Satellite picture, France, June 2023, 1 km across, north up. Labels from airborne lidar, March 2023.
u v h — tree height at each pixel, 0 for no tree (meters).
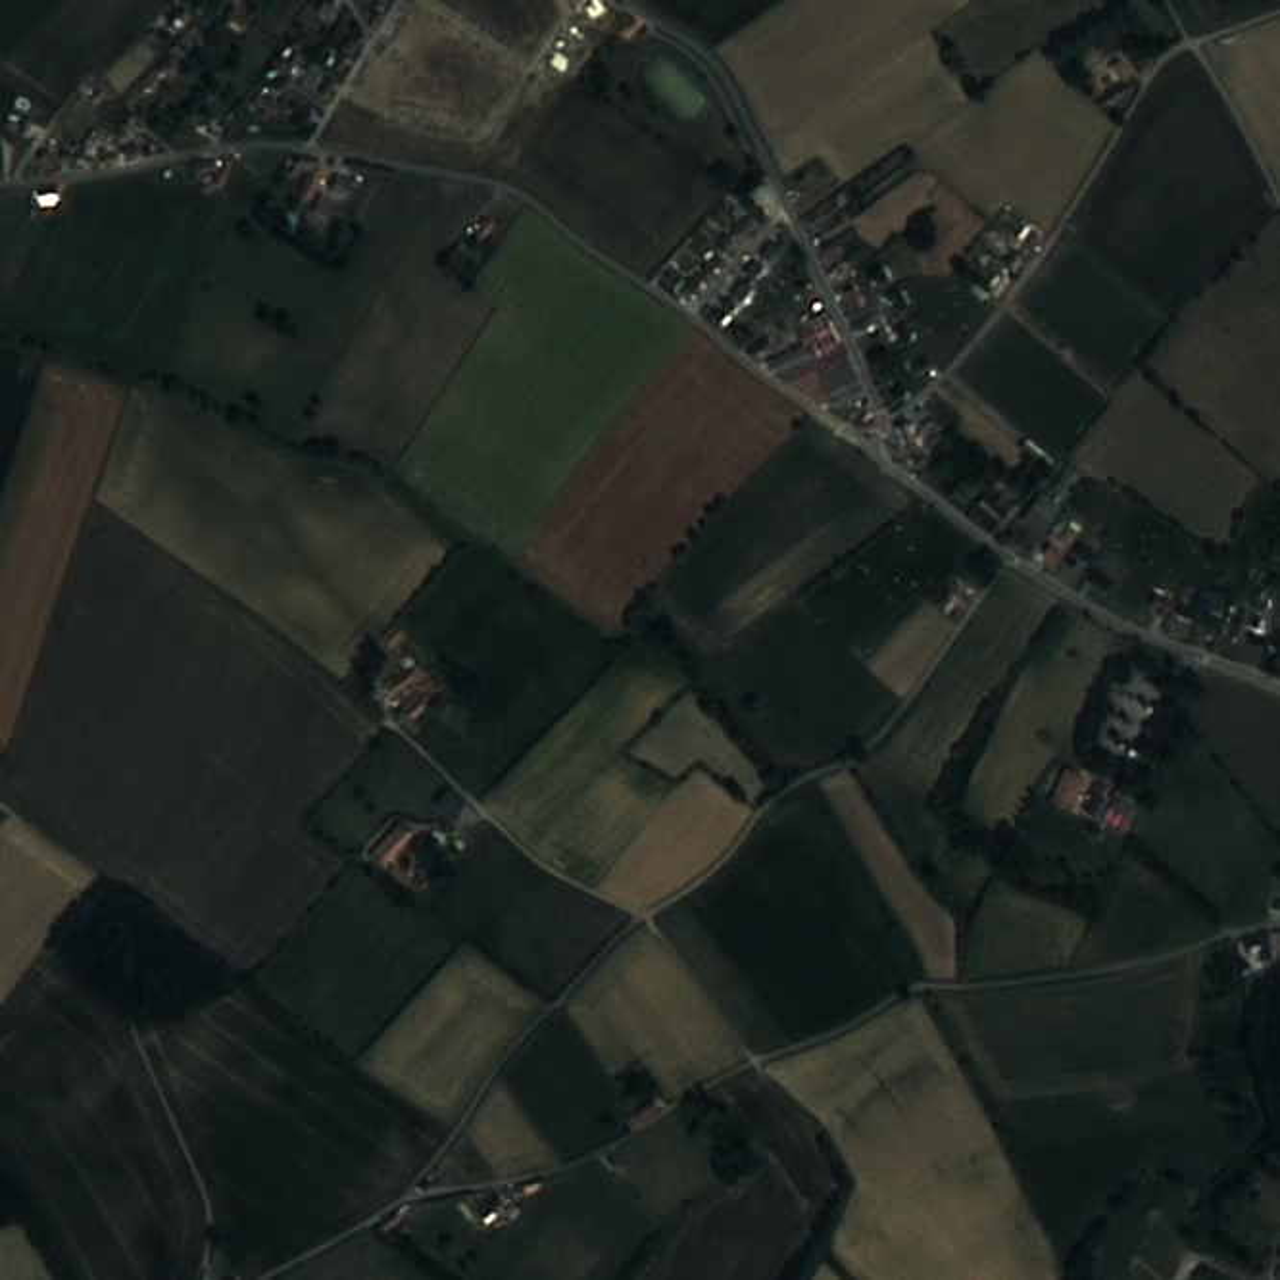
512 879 0
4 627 0
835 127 0
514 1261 0
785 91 0
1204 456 0
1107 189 0
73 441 0
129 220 0
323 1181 0
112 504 0
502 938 0
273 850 0
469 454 0
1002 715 0
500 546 0
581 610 0
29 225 0
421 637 0
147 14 0
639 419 0
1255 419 0
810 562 0
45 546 0
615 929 0
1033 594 0
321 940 0
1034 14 0
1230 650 0
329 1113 0
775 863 0
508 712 0
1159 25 0
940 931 0
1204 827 0
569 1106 0
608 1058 0
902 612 0
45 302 0
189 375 0
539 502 0
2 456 0
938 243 0
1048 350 0
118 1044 0
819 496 0
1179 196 0
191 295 0
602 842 0
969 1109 0
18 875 0
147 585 0
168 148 0
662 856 0
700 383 0
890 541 0
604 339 0
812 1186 0
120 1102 0
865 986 0
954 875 0
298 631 0
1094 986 0
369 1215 0
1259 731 0
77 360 0
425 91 0
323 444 10
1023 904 0
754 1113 0
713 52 0
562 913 0
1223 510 0
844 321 0
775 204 0
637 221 0
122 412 0
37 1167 0
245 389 0
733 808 0
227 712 0
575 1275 0
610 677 0
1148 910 0
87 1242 0
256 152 0
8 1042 0
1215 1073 10
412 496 0
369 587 0
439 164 0
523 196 0
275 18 0
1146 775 10
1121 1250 0
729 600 0
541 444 0
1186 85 0
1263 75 0
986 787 0
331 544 0
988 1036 0
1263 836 0
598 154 0
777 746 0
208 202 0
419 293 0
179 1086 0
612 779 0
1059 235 0
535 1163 0
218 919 0
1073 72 18
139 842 0
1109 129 0
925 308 0
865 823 0
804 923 0
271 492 0
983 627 0
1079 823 0
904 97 0
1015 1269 0
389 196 0
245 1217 0
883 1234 0
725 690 0
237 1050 0
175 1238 0
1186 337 0
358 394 0
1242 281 0
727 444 0
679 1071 0
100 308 0
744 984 0
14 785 0
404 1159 0
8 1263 0
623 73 0
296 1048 0
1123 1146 0
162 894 0
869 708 0
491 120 0
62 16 0
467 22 0
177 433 0
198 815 0
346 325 0
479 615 0
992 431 0
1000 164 0
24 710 0
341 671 0
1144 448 0
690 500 0
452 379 0
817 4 0
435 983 0
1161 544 0
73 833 0
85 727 0
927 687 0
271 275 0
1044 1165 0
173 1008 18
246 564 0
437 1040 0
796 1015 0
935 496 0
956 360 0
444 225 0
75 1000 0
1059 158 0
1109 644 0
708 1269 0
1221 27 0
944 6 0
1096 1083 0
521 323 0
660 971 0
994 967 0
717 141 0
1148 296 0
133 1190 0
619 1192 0
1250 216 0
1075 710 0
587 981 0
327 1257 0
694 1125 15
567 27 0
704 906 0
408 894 8
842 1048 0
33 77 0
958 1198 0
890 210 0
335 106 0
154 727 0
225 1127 0
